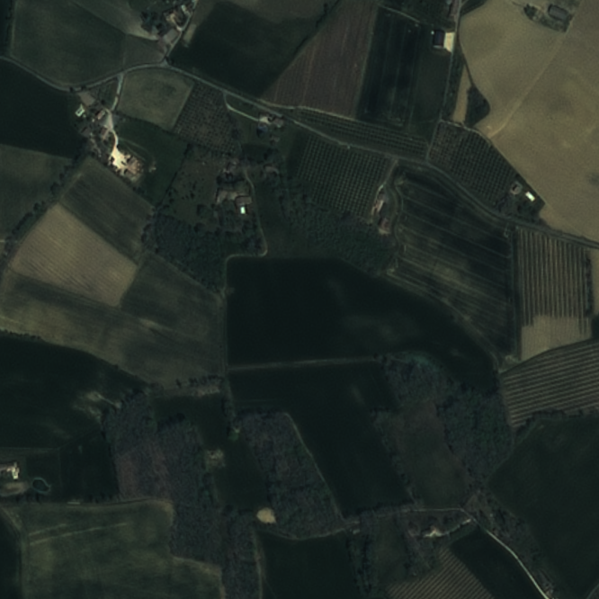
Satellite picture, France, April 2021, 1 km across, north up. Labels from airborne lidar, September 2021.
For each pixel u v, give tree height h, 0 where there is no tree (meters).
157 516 0
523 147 0
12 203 0
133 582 0
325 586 0
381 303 0
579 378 6
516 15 0
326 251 11
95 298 0
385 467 0
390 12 0
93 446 0
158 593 0
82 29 0
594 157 0
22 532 0
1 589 0
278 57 0
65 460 0
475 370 0
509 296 0
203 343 0
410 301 0
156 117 0
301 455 15
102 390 0
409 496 0
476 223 0
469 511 12
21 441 0
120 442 12
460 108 0
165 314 0
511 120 0
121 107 0
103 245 0
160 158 0
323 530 20
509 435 24
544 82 0
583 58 0
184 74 0
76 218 0
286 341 0
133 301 0
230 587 19
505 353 0
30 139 0
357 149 0
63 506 0
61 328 0
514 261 0
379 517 16
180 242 17
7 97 0
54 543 0
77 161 11
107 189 0
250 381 0
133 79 0
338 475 0
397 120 0
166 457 19
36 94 0
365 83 0
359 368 0
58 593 0
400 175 0
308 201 13
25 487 0
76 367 0
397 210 0
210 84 0
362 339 0
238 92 0
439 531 14
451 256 0
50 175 0
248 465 0
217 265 17
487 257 0
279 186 8
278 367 0
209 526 19
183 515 15
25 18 0
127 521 0
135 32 0
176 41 0
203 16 0
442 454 0
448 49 0
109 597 0
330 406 0
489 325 0
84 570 0
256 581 16
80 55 0
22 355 0
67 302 0
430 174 0
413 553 17
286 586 0
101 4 0
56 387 0
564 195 0
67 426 0
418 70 0
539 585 7
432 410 0
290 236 0
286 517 21
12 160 0
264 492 0
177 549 16
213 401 0
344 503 0
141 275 0
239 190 20
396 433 0
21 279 0
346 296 0
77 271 0
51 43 0
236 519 19
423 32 0
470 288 0
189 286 0
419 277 0
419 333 0
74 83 0
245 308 0
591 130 0
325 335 0
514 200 16
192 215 0
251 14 0
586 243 0
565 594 0
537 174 0
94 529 0
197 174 0
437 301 0
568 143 0
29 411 0
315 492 16
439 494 0
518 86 0
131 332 0
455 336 0
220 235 17
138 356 0
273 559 0
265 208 0
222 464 0
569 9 0
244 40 0
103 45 0
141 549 0
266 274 0
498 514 7
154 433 21
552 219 0
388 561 0
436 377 20
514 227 0
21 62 0
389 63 0
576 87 0
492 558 0
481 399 21
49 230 0
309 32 0
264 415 18
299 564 0
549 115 0
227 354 0
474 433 24
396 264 0
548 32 0
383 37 0
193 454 24
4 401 0
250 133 0
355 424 0
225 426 0
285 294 0
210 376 0
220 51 0
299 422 0
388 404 0
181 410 0
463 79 0
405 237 0
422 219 0
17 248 13
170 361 0
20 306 0
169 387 0
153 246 12
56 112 0
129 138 0
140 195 10
